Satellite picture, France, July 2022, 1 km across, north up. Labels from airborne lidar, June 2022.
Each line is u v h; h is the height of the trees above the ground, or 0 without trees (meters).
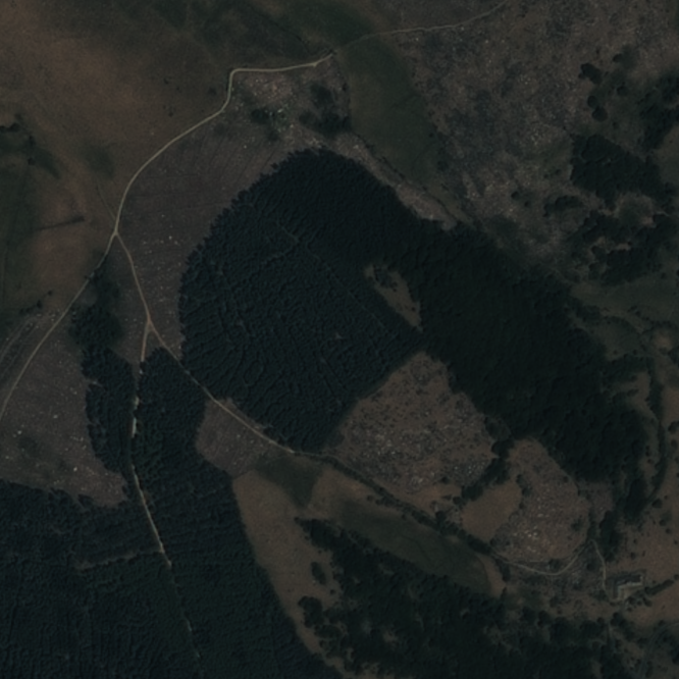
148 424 16
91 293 0
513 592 0
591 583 0
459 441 0
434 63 0
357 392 15
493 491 0
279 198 19
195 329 19
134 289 0
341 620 8
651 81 0
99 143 0
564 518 0
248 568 19
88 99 0
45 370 0
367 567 11
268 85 0
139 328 0
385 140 0
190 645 19
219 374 18
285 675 15
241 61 0
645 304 0
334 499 0
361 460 0
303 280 20
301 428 16
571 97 0
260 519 0
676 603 0
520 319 16
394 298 0
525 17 0
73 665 20
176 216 0
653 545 0
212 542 17
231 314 16
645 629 0
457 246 15
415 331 19
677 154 0
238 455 0
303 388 19
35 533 15
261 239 16
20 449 0
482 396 14
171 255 0
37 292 0
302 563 0
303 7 0
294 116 0
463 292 20
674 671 0
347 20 0
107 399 16
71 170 0
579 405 9
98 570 15
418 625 10
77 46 0
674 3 0
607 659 10
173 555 13
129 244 0
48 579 19
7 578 20
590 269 9
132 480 16
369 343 18
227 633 19
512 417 14
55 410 0
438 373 0
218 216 0
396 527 0
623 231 13
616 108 0
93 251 0
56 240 0
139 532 15
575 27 0
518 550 0
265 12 0
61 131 0
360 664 6
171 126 0
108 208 0
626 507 6
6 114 0
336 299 20
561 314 14
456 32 0
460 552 0
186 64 0
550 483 0
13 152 0
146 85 0
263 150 0
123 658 23
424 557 0
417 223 16
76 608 20
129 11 0
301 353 17
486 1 0
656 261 9
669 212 8
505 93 0
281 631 14
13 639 21
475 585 0
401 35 0
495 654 11
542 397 18
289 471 0
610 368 7
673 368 0
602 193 14
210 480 14
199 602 19
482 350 16
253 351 17
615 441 14
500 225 0
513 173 0
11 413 0
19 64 0
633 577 0
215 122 0
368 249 19
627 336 0
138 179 0
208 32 0
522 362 21
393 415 0
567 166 0
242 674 21
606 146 16
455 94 0
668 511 0
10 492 23
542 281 8
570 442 8
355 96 0
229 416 0
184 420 20
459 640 12
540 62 0
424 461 0
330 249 17
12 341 0
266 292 18
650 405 6
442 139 0
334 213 19
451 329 16
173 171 0
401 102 0
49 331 0
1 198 0
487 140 0
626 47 0
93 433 18
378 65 0
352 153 0
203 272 17
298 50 0
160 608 20
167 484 14
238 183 0
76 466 0
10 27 0
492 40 0
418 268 15
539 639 6
